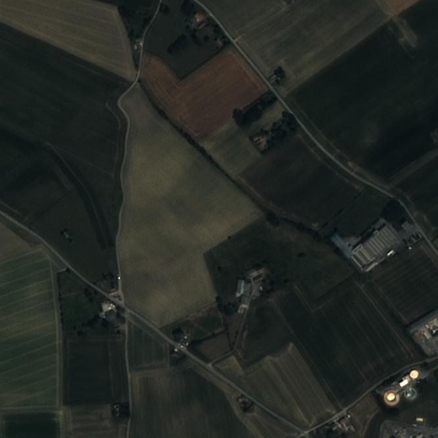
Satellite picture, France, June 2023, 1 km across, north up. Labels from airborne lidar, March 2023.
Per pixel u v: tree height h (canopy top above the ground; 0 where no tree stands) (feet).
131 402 0
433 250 0
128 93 0
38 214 0
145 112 0
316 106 0
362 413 0
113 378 0
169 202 0
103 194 0
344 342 0
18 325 0
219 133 0
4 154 0
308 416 0
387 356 0
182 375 0
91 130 0
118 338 0
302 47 0
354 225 0
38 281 0
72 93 0
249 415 0
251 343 0
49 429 0
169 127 0
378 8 0
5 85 0
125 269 0
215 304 0
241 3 0
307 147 0
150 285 0
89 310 0
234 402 0
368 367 0
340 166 0
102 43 0
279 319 0
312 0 0
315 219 0
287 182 0
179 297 0
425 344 0
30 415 0
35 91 0
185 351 0
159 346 0
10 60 0
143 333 0
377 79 0
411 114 0
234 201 0
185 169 0
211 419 0
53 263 0
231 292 0
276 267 0
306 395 0
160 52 0
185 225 0
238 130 0
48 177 0
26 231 0
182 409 0
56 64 0
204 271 0
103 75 0
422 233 0
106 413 0
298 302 0
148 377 0
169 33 0
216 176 0
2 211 0
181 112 0
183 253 0
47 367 0
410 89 0
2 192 0
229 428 0
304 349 0
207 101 0
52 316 0
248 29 0
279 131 54
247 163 0
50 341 0
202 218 0
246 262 0
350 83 0
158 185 0
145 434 0
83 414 0
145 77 0
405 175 0
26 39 0
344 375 0
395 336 0
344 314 0
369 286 0
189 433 0
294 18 0
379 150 0
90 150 0
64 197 0
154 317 0
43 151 0
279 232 0
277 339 0
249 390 0
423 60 0
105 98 0
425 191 0
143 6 0
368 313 0
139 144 0
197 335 0
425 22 0
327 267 0
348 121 0
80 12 0
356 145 0
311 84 0
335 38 0
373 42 0
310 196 0
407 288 0
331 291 0
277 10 0
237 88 0
